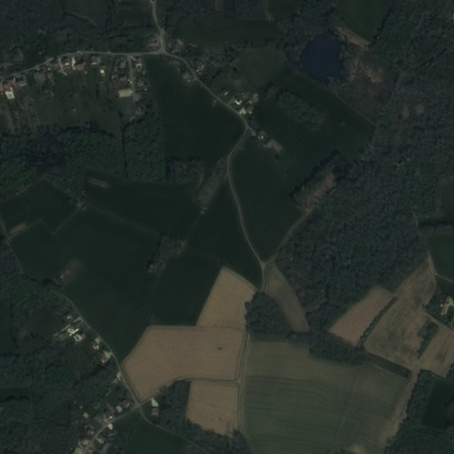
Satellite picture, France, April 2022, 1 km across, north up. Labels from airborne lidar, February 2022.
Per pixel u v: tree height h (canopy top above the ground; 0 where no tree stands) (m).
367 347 0
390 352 0
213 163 0
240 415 0
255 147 0
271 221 0
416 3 15
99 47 0
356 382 0
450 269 0
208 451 14
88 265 0
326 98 0
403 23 16
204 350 0
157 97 0
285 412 0
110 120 0
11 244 0
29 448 23
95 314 0
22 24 22
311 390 0
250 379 0
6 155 16
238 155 0
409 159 14
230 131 0
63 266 0
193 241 0
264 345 0
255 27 0
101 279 0
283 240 0
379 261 28
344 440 0
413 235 27
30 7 20
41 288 23
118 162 21
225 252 0
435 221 0
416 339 0
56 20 21
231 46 0
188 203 0
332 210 16
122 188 0
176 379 0
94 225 0
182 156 0
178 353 0
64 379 19
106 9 0
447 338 0
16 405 22
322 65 0
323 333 20
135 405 0
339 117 0
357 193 23
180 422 20
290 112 24
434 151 24
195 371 0
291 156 0
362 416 0
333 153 0
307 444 0
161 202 0
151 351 0
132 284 0
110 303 0
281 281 0
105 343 0
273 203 0
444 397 0
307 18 22
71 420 17
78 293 0
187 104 0
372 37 0
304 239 12
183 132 0
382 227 11
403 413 0
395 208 19
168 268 0
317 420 0
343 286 29
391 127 19
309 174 0
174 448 0
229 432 0
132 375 0
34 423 17
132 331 0
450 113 18
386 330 0
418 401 18
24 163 23
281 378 0
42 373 22
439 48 17
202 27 0
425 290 0
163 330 0
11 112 9
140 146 23
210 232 0
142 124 15
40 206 0
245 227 0
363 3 0
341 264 27
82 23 17
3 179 20
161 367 0
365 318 0
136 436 0
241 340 0
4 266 23
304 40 25
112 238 0
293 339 26
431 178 17
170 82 0
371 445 0
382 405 0
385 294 0
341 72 11
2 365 19
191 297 0
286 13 0
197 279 0
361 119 0
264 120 0
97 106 0
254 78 0
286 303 0
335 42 0
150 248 0
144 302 0
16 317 14
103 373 30
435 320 0
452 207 0
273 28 0
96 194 0
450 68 22
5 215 0
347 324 0
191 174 18
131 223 0
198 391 0
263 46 0
